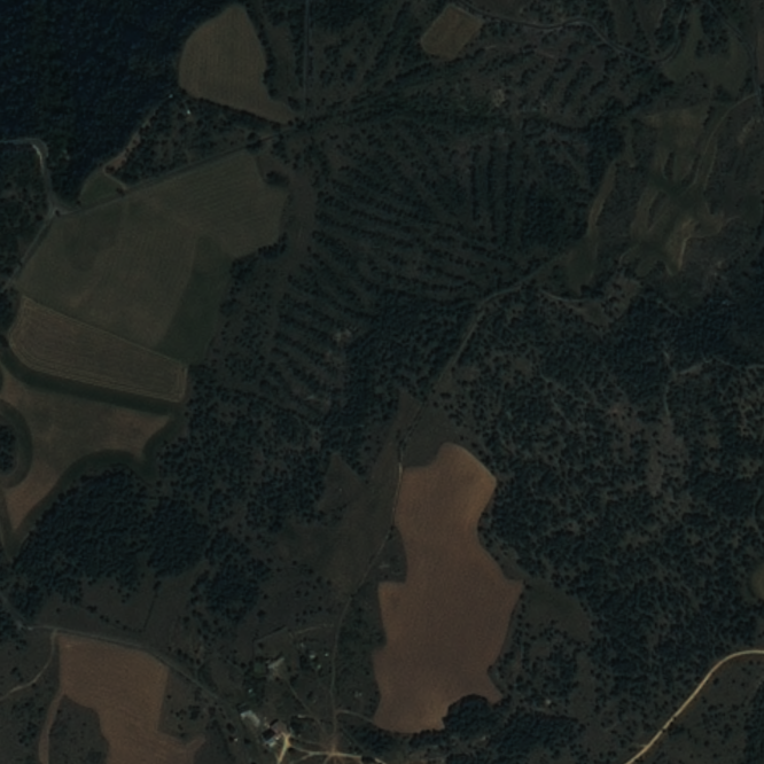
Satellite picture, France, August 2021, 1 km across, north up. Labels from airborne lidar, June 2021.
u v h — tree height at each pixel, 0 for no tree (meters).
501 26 7
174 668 0
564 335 6
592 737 0
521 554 12
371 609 0
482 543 0
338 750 0
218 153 0
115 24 8
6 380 0
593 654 6
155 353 0
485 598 0
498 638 0
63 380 0
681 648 8
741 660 0
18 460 0
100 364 0
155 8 7
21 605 6
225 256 0
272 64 9
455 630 0
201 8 12
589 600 8
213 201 0
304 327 7
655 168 0
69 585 8
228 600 11
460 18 0
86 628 0
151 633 0
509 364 7
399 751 0
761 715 7
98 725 0
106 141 6
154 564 10
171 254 0
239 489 7
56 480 0
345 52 0
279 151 7
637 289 0
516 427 8
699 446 7
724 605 9
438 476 0
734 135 0
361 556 0
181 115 6
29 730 7
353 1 6
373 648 0
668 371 6
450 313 8
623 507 9
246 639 0
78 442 0
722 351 8
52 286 0
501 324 9
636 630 9
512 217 7
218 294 0
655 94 9
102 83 9
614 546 7
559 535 10
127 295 0
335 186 6
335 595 0
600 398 7
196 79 0
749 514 7
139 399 0
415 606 0
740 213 0
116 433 0
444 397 8
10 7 13
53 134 9
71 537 9
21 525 0
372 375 8
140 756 0
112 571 7
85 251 0
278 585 0
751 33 0
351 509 0
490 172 7
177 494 7
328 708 0
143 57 6
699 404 6
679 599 10
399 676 0
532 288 9
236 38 0
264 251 6
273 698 0
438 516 0
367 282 6
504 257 8
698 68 0
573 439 8
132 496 8
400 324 8
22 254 0
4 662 0
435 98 7
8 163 7
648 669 8
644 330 8
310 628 0
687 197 0
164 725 0
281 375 8
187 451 7
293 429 6
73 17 6
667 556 9
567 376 8
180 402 0
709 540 7
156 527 11
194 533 10
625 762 0
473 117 6
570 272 0
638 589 9
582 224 7
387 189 7
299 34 8
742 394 6
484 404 7
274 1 8
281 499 7
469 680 0
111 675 0
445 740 10
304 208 0
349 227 7
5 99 8
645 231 0
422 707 0
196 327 0
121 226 0
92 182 0
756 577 0
